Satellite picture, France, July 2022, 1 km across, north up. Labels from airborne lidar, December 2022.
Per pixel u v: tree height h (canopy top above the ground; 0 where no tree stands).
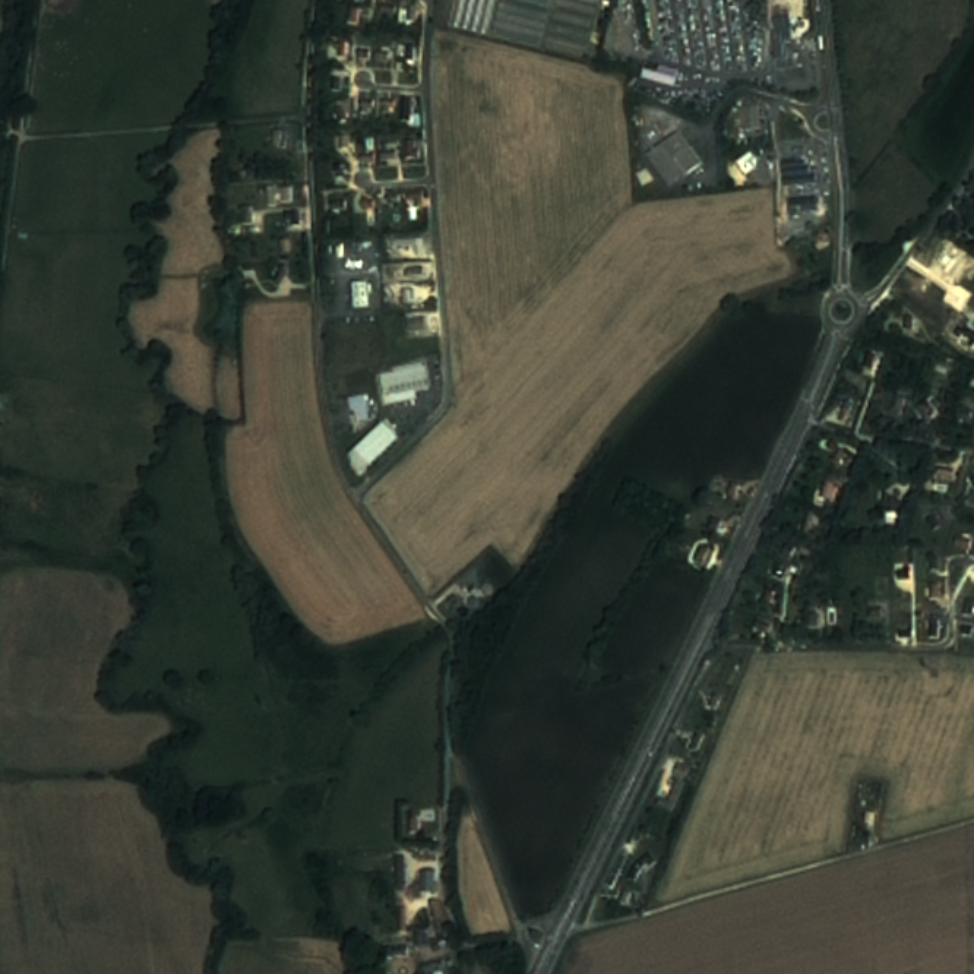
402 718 0
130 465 0
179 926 0
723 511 0
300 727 0
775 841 0
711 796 0
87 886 0
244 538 0
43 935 0
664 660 0
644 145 0
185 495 0
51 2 0
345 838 0
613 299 0
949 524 0
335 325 0
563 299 0
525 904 0
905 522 16
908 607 0
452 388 0
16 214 0
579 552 0
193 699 0
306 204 0
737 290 0
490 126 0
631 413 0
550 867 0
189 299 0
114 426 0
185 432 0
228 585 0
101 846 0
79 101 0
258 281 0
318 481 0
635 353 0
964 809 0
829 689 0
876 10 0
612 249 0
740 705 0
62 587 0
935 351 9
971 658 0
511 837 0
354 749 0
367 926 0
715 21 0
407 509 0
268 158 6
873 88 0
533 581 10
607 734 0
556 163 0
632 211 0
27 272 0
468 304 0
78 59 0
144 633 0
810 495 11
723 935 0
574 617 0
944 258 6
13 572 0
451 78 0
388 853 0
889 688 0
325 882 7
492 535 0
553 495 0
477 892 0
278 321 0
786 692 0
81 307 0
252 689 0
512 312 0
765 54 0
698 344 0
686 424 0
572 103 0
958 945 0
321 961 0
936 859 0
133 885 0
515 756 0
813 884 0
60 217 0
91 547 0
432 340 0
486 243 0
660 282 0
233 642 0
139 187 0
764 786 0
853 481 11
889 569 0
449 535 0
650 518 10
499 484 0
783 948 0
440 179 0
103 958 0
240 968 0
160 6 0
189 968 0
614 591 0
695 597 0
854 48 0
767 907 0
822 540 10
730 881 0
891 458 11
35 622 0
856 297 0
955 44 9
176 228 0
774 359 0
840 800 0
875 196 0
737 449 0
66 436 0
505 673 0
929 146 0
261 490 0
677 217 0
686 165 0
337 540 0
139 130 0
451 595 0
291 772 0
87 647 0
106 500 0
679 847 0
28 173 0
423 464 0
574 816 0
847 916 0
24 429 0
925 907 0
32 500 0
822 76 0
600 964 0
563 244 0
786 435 0
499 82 0
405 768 0
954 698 0
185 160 0
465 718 11
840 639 10
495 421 0
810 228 7
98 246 0
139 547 13
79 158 0
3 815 0
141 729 0
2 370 0
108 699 13
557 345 0
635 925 0
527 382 0
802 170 0
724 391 0
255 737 0
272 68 0
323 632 0
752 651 0
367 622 0
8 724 0
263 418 0
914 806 0
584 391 0
